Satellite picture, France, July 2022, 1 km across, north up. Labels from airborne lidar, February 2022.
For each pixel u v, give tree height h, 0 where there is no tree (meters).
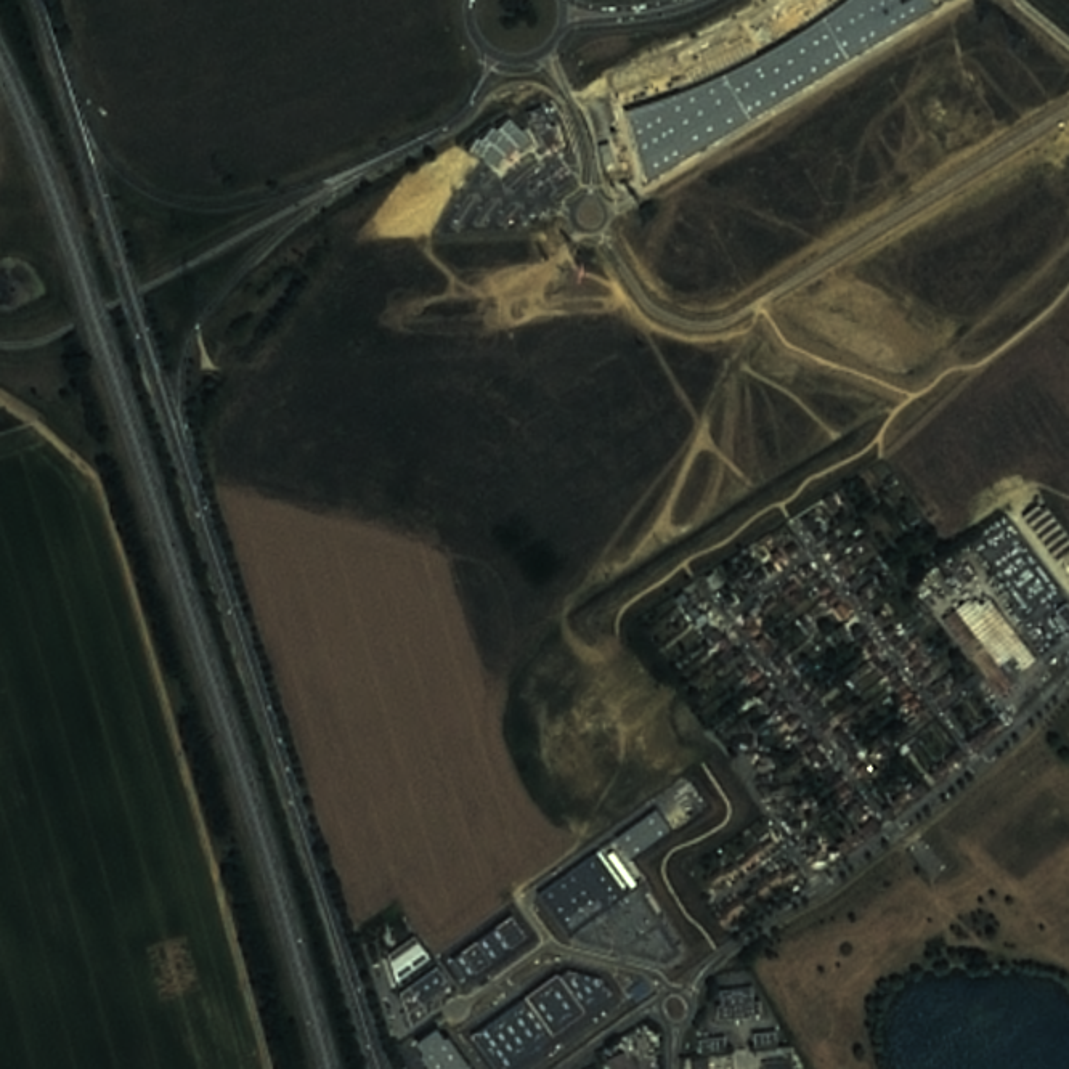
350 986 0
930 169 0
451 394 0
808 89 0
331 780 0
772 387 0
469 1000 0
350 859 0
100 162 0
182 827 0
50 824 0
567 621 0
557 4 0
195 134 0
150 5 0
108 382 0
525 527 0
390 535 0
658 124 0
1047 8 0
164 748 0
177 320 0
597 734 0
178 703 0
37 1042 0
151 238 0
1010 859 0
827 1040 0
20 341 0
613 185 0
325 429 0
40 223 0
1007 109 0
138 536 5
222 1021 0
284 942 0
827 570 0
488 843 0
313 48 0
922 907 0
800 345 0
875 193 0
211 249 0
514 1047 0
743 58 0
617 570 0
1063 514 0
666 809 0
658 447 0
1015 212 0
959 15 0
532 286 0
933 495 0
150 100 0
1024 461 0
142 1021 0
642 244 0
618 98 0
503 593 0
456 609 0
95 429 9
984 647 0
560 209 0
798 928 0
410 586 0
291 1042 6
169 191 0
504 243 0
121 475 7
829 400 0
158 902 0
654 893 0
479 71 0
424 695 0
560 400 0
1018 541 0
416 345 0
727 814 0
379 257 0
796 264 0
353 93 0
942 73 0
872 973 0
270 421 0
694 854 0
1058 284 0
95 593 0
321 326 0
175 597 0
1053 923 0
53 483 0
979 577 0
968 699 0
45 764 0
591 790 0
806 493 0
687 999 0
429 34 0
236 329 10
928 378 0
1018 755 0
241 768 0
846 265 0
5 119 0
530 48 0
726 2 0
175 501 11
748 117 0
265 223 0
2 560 0
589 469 0
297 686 0
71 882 0
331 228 0
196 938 0
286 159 0
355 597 0
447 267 0
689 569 0
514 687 0
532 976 0
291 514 0
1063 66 0
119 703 0
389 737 0
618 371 0
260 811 0
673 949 0
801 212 0
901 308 0
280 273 7
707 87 0
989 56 0
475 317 0
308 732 0
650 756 0
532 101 0
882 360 0
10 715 0
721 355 0
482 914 0
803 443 0
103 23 0
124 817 0
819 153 0
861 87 0
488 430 0
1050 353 0
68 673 0
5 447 0
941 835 0
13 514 0
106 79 0
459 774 0
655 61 0
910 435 0
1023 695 0
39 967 0
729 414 0
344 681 0
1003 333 0
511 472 0
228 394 0
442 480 0
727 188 0
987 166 0
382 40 0
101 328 0
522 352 0
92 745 0
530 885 0
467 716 0
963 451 0
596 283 0
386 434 0
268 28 0
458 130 0
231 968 0
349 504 0
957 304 0
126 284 0
